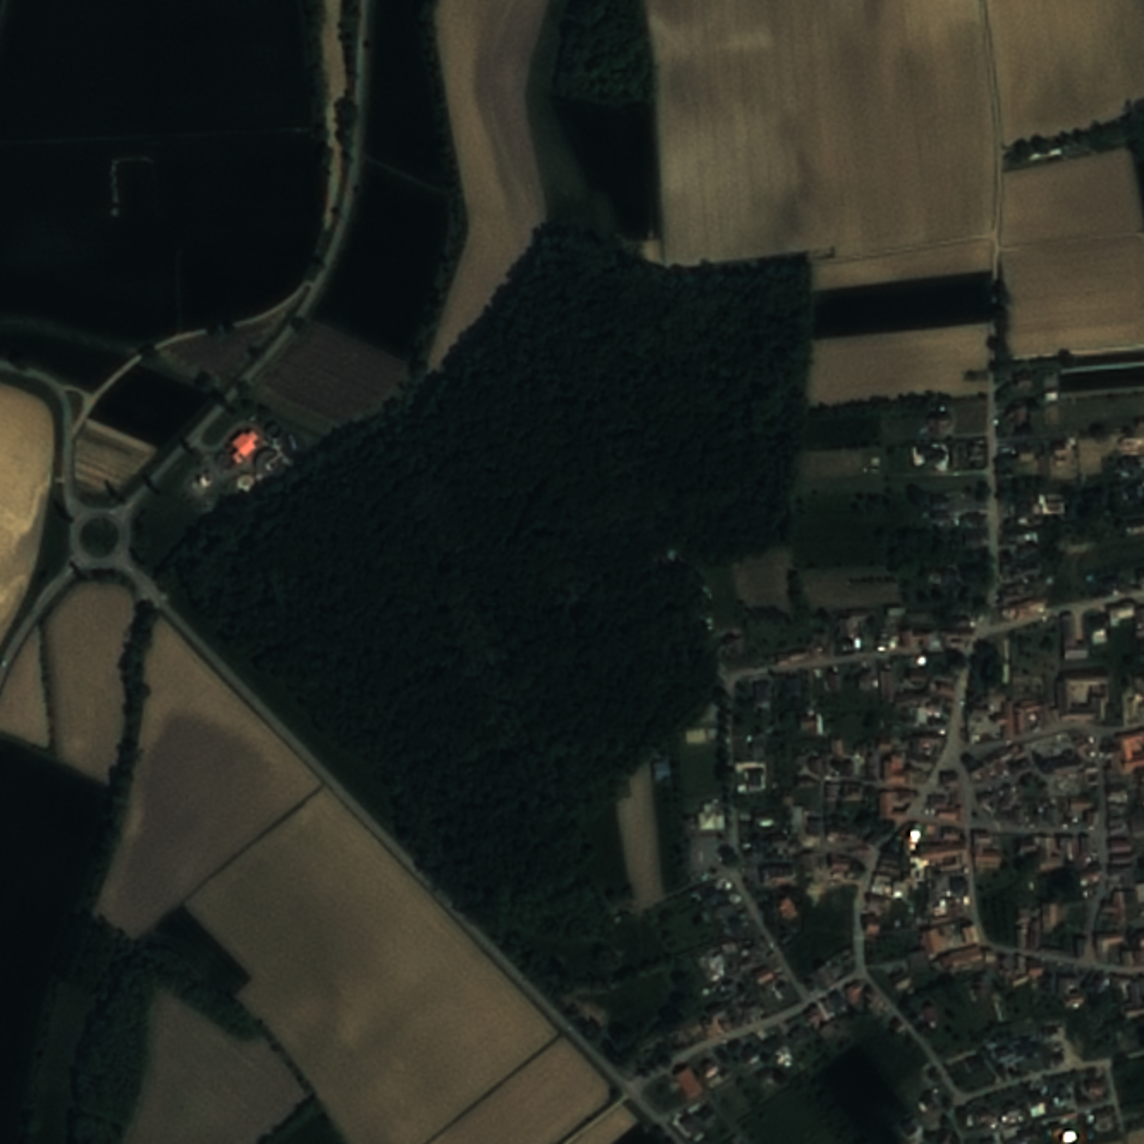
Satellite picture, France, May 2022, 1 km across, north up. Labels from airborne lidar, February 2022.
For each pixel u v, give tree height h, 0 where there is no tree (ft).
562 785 73
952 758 0
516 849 72
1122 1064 43
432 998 0
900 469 0
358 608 69
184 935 0
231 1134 0
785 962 0
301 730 0
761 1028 0
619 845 0
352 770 0
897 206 0
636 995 0
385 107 0
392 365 0
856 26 0
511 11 0
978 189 0
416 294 0
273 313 0
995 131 0
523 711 81
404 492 69
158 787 0
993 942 0
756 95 0
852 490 0
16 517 0
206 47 0
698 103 0
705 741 0
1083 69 0
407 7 0
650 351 77
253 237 0
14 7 0
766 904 36
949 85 0
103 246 0
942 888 0
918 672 0
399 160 0
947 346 0
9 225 0
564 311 70
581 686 72
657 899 0
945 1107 20
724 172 0
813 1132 0
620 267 71
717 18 0
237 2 0
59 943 0
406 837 51
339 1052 0
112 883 0
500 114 0
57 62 0
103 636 0
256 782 0
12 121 0
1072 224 0
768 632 0
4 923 0
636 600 74
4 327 0
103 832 43
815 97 0
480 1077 0
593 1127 0
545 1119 0
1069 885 81
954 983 41
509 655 70
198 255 0
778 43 0
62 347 0
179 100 0
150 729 0
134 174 0
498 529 68
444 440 80
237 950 0
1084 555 0
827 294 0
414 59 0
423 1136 0
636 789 0
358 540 72
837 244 0
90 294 0
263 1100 0
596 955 48
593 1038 63
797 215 0
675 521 67
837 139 0
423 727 72
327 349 0
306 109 0
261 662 57
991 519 0
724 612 0
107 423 0
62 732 0
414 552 69
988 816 0
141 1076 49
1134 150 47
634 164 0
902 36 0
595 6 56
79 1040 0
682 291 76
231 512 65
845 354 0
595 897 51
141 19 0
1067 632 0
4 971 0
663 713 70
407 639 75
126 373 0
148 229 0
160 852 0
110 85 0
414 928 0
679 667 70
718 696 49
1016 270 0
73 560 0
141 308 0
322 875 0
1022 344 0
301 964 0
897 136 0
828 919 0
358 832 0
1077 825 0
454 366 51
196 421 0
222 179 0
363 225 0
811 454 0
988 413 0
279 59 0
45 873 0
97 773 0
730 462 84
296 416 0
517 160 0
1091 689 0
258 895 0
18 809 0
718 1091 0
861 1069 0
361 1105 0
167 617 0
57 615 0
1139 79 0
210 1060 0
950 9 0
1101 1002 45
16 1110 0
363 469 90
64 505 0
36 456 0
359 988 0
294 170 0
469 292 0
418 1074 0
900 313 0
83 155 0
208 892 0
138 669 45
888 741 0
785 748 21
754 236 0
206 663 0
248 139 0
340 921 0
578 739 76
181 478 0
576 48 34
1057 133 0
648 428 64
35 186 0
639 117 0
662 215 0
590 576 58
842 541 0
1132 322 0
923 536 24
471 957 0
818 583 0
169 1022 0
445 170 0
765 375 64
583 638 72
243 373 0
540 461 73
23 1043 0
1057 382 0
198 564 77
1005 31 0
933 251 0
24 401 0
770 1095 0
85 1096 70
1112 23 0
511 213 0
